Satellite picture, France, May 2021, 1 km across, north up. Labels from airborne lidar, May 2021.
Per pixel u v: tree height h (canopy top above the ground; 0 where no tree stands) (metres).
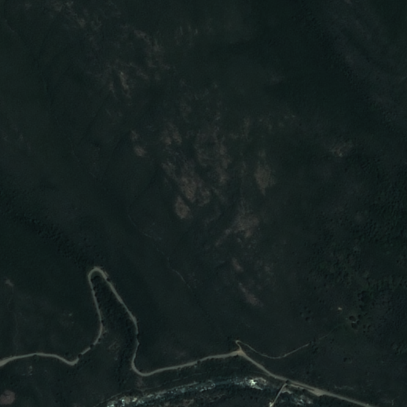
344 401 7
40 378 6
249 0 6
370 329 11
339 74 7
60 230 8
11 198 8
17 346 0
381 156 6
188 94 0
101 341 16
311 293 7
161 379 6
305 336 0
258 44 6
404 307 8
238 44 6
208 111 0
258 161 0
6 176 6
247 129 0
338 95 7
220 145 0
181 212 0
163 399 6
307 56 7
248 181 0
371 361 0
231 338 12
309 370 13
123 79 0
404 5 5
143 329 6
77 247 7
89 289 6
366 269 8
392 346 13
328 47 17
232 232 0
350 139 13
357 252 12
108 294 19
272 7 6
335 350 0
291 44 6
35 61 8
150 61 0
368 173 7
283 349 0
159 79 0
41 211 6
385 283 8
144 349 6
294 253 9
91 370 6
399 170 8
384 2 6
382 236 12
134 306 6
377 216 8
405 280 12
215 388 8
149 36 0
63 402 6
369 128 8
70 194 0
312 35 6
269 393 14
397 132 8
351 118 6
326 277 16
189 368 6
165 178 0
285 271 0
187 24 0
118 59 0
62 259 6
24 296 0
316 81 6
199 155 0
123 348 7
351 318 13
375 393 6
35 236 6
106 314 9
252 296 0
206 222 0
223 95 0
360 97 7
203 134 0
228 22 0
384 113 5
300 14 7
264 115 0
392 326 9
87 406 6
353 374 0
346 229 6
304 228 8
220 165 0
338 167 8
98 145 10
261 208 0
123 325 15
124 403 0
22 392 5
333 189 6
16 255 6
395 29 5
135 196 6
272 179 0
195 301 6
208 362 6
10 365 6
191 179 0
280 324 0
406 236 17
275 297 0
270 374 0
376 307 10
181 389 0
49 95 6
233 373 14
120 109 0
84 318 5
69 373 13
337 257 12
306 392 17
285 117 0
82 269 8
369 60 12
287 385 7
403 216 13
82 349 6
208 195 0
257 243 0
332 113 6
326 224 8
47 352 6
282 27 6
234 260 0
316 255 10
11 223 6
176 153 0
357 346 0
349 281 13
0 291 0
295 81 6
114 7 0
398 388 0
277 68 6
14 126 0
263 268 0
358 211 9
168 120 0
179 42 0
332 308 7
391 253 5
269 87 5
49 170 0
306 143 5
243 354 0
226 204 0
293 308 5
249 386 10
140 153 0
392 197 6
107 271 6
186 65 0
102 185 5
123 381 11
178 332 0
